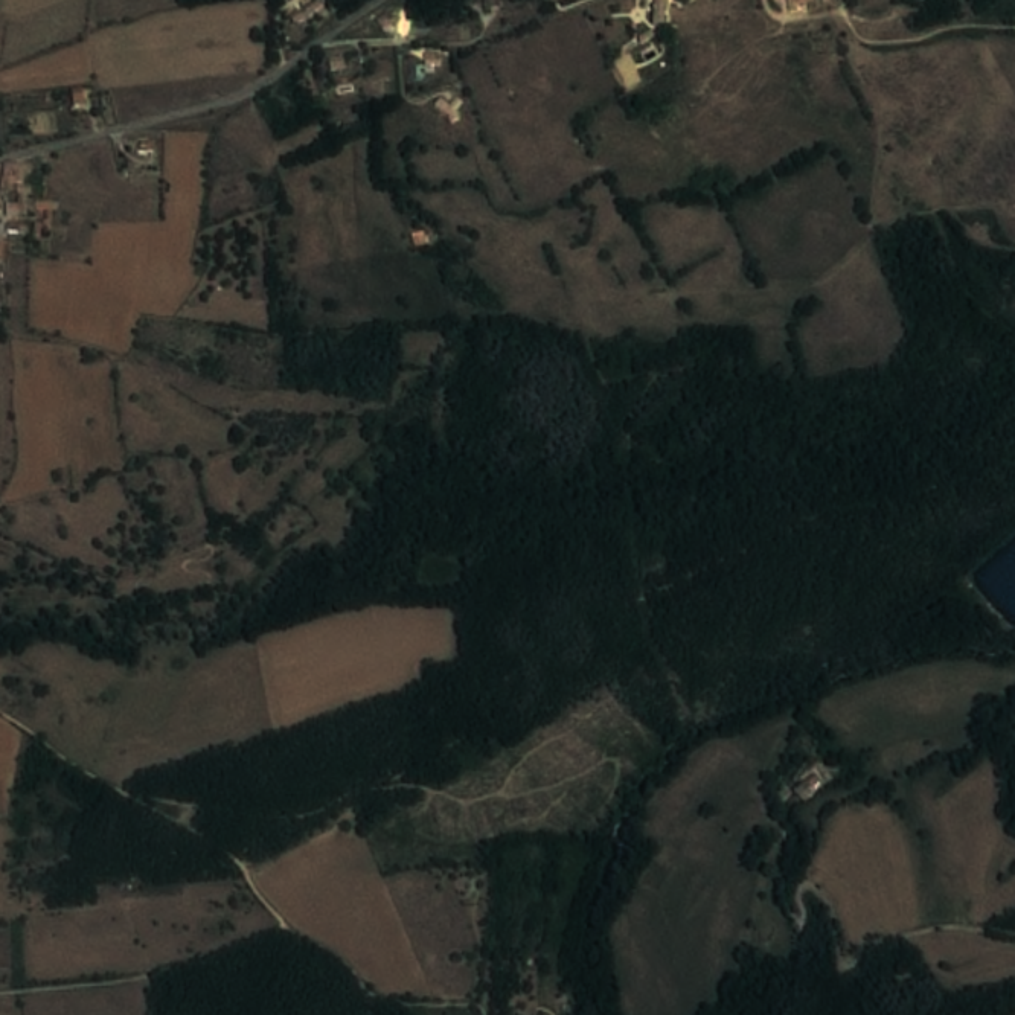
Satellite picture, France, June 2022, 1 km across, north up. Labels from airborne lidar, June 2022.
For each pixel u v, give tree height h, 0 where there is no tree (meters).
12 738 0
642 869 16
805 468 16
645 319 0
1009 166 0
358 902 0
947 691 0
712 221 0
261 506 0
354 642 0
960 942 0
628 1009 0
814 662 10
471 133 0
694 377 7
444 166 0
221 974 9
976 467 8
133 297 0
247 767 14
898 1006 8
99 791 9
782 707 18
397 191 15
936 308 11
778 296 0
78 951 0
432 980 0
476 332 17
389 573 14
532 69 0
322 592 19
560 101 0
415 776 12
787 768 6
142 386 0
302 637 0
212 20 0
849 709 0
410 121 0
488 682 12
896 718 0
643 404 18
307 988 13
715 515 13
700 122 0
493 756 18
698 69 0
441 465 22
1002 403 10
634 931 0
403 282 0
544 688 12
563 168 0
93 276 0
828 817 11
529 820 0
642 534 8
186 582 0
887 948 10
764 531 11
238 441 17
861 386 6
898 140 0
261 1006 13
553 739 0
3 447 0
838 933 13
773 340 0
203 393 0
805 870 9
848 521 12
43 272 0
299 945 10
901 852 0
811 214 0
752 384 10
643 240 6
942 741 0
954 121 0
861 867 0
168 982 11
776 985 20
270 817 11
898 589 8
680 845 0
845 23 0
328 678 0
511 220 0
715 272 0
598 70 0
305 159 15
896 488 16
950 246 6
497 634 14
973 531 12
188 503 0
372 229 0
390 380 11
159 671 0
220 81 0
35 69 0
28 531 0
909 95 0
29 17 0
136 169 0
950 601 17
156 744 0
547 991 0
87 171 0
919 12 10
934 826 0
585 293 0
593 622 10
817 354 0
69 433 0
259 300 0
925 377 7
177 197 0
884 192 0
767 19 0
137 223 0
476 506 15
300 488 0
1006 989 11
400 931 0
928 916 0
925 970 7
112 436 0
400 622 0
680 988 0
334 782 9
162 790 12
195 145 0
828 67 0
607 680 7
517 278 0
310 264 0
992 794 0
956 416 11
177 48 0
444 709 14
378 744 11
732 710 15
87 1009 0
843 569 13
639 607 10
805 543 13
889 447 19
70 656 0
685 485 17
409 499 15
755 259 14
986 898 0
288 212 13
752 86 0
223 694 0
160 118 0
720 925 0
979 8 11
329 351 17
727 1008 16
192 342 0
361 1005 8
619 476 14
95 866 7
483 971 9
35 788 8
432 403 16
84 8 0
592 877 13
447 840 0
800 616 11
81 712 0
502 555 17
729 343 9
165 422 0
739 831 0
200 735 0
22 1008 6
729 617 13
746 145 0
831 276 0
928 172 0
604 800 0
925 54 0
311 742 11
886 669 8
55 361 0
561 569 13
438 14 7
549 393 17
